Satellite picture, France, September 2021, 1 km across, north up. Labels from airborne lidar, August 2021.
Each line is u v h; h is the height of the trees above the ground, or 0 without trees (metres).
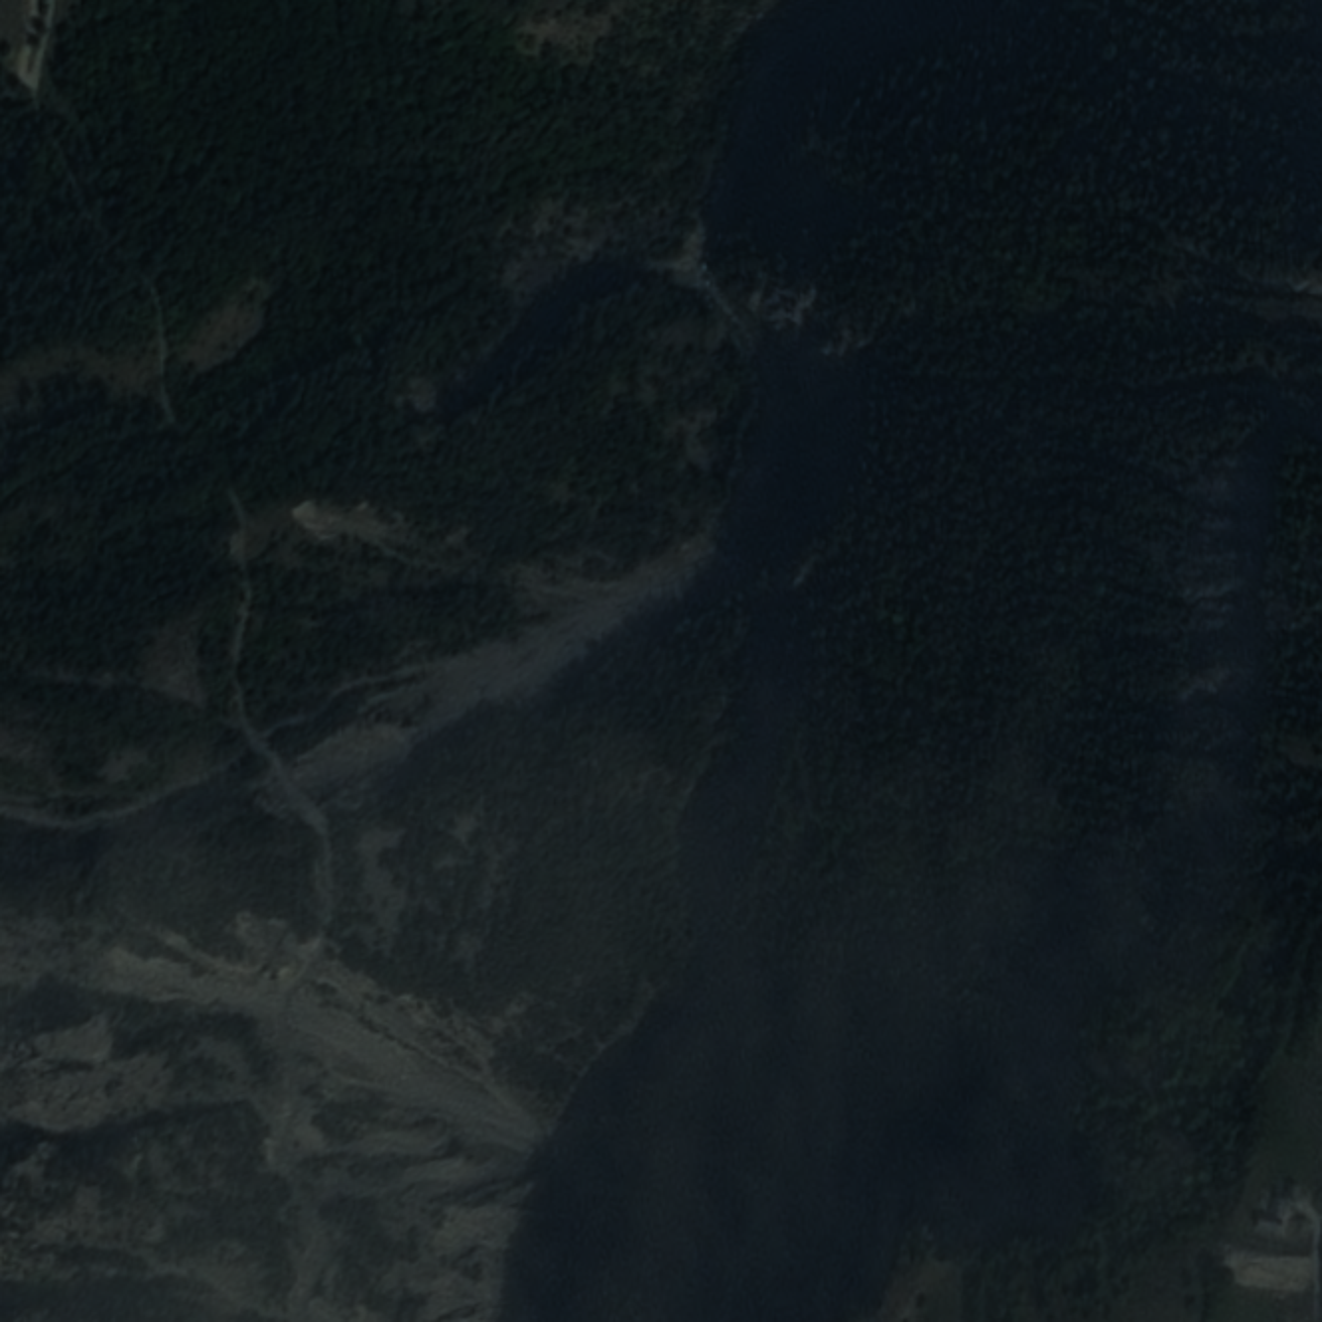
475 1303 0
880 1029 13
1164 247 16
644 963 18
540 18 7
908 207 18
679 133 9
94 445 27
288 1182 6
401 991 8
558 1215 9
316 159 25
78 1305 13
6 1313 9
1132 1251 16
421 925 15
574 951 12
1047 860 15
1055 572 13
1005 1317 10
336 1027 0
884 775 21
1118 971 27
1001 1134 8
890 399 23
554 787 12
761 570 12
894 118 23
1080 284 7
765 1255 0
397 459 10
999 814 24
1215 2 19
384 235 16
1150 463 8
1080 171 14
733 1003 8
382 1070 0
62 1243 7
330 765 0
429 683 0
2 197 27
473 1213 0
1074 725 19
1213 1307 14
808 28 0
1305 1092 0
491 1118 0
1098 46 19
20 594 8
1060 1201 11
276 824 11
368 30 16
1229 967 16
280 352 19
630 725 21
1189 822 7
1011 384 21
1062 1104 7
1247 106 8
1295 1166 0
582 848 20
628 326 11
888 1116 15
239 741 13
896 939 15
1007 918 15
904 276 6
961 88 22
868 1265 0
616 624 0
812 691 19
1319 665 10
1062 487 22
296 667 6
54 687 8
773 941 11
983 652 23
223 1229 15
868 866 22
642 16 7
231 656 10
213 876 11
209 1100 0
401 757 0
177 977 0
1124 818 10
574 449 12
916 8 8
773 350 0
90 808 8
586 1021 17
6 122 14
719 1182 6
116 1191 8
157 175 21
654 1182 12
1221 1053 15
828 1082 9
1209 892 20
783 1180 6
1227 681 0
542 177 12
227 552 6
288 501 12
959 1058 15
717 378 17
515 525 19
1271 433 6
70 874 7
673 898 15
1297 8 9
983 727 23
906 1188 7
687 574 0
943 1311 0
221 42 19
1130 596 13
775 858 19
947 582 20
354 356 31
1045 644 19
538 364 20
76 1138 6
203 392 14
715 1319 0
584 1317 13
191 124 18
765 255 13
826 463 8
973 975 20
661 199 14
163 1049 11
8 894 6
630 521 15
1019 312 8
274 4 19
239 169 20
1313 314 0
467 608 11
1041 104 20
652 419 19
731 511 0
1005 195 26
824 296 15
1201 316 9
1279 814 10
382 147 21
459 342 12
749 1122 13
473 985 13
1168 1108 12
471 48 21
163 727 10
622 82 13
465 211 26
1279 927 17
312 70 19
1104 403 21
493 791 13
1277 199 11
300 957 0
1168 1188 14
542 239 8
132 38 18
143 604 9
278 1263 7
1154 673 15
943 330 8
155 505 23
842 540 16
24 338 17
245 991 0
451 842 9
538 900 11
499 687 0
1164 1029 18
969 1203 10
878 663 20
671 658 19
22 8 0
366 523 0
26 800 0
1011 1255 13
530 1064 12
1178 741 8
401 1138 0
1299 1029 16
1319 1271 0
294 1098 0
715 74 13
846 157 11
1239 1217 0
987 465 12
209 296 16
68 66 23
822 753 20
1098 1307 9
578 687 11
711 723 9
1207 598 0
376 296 30
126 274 27
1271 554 12
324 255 14
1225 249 11
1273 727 13
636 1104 12
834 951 22
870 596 22
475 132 19
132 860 11
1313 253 9
